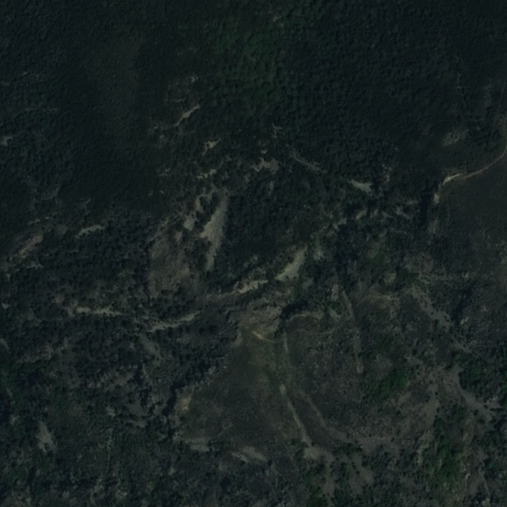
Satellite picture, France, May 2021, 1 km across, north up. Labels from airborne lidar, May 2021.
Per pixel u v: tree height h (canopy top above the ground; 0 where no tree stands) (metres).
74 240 11
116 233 11
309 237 8
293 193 9
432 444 7
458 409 8
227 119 14
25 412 16
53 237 8
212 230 0
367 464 13
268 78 23
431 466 15
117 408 10
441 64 12
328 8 8
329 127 12
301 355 0
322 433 0
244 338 0
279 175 6
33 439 10
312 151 12
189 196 12
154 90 5
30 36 13
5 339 17
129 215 10
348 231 9
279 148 9
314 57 11
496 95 8
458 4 10
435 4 10
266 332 0
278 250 11
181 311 12
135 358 12
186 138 14
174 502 9
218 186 14
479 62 10
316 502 6
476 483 0
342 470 6
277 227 12
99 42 6
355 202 6
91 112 10
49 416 14
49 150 8
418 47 12
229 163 9
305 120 13
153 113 7
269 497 6
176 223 9
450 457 6
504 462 0
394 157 13
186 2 8
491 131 8
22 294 7
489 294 0
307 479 6
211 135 22
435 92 14
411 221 6
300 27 14
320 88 19
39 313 14
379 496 7
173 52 10
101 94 7
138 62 7
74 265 12
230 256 11
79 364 9
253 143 10
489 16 6
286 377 0
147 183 7
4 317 9
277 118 11
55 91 9
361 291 0
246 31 16
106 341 6
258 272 12
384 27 8
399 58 8
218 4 14
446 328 7
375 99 8
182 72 5
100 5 12
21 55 10
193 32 11
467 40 7
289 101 9
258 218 10
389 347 6
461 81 7
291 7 14
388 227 10
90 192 7
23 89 13
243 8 9
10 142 9
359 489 0
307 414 0
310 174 8
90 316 8
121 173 10
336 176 6
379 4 8
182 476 7
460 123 7
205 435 0
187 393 0
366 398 8
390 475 0
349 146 9
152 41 6
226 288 10
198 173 18
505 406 17
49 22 12
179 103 8
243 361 0
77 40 12
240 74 15
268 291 10
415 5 10
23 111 10
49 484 9
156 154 9
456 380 0
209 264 0
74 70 8
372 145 13
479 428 0
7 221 10
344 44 10
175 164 7
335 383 0
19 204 10
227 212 6
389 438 0
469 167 7
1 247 10
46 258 10
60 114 10
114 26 9
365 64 7
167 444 10
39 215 9
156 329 0
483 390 11
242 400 0
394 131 8
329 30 9
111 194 9
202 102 14
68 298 11
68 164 11
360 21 9
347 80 7
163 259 0
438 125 8
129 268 10
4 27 15
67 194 12
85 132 8
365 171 13
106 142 7
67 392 8
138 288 14
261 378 0
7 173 9
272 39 14
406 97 9
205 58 13
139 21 11
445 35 9
